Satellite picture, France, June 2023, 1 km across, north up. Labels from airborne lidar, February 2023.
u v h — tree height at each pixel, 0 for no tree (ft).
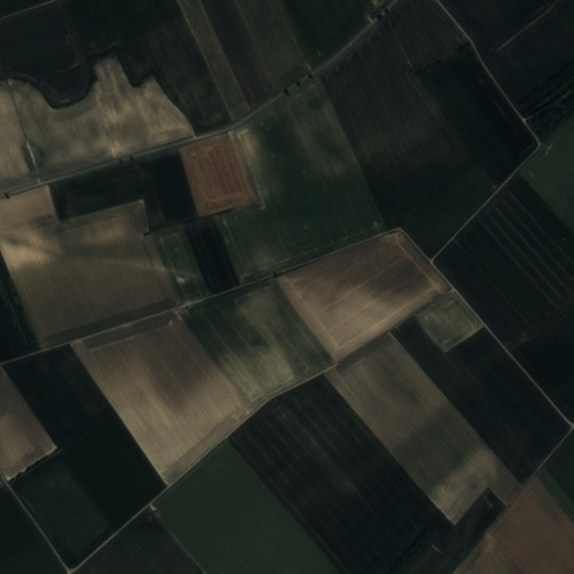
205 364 0
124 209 0
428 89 0
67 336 0
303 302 0
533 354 0
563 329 0
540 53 0
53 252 0
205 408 0
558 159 0
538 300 0
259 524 0
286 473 0
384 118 0
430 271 0
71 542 0
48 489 0
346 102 0
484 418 0
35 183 0
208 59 0
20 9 0
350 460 0
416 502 0
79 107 0
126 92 0
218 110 0
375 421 0
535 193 0
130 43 0
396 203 0
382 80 0
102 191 0
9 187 0
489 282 0
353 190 0
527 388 0
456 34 0
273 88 0
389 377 0
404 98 0
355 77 0
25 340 0
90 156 0
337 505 0
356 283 0
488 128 0
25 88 0
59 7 0
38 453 0
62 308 0
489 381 0
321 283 0
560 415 0
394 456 0
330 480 0
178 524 0
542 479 0
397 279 0
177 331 0
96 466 0
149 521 0
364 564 0
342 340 0
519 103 23
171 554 0
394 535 0
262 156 0
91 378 0
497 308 0
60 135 0
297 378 0
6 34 0
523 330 0
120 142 0
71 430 0
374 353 0
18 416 0
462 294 0
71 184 0
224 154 0
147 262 0
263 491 0
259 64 0
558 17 0
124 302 0
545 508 0
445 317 0
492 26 0
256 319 0
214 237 0
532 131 0
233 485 0
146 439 0
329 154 0
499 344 0
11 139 0
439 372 0
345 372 0
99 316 0
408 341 0
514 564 0
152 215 0
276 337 0
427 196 0
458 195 0
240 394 0
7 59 0
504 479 0
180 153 0
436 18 0
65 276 0
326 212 0
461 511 0
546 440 0
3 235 0
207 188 0
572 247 0
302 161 0
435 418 0
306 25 0
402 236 0
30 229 0
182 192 0
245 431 0
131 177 0
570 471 0
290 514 0
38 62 0
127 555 0
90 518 0
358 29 0
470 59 0
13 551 0
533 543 0
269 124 0
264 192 0
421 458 0
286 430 0
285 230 0
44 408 0
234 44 0
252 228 0
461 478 0
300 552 0
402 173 0
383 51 0
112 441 0
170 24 0
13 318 0
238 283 0
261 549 0
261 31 0
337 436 0
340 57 0
